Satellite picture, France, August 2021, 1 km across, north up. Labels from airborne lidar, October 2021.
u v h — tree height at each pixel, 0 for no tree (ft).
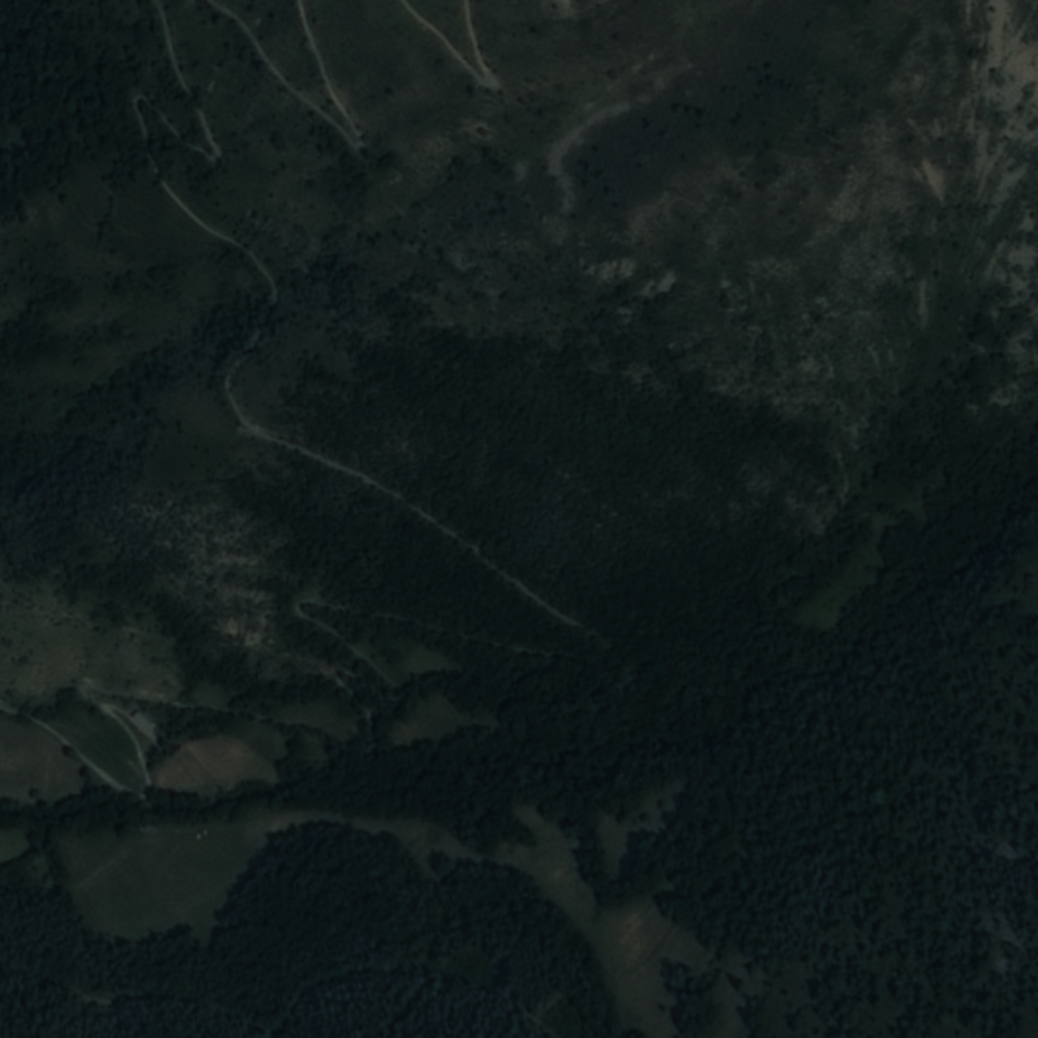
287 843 58
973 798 20
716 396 24
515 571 39
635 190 0
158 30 33
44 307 72
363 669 53
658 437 40
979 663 24
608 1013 75
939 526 49
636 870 74
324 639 29
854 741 58
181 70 23
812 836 29
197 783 0
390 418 21
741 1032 0
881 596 64
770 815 44
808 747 67
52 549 24
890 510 29
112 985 32
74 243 0
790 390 24
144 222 0
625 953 0
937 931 32
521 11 0
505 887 69
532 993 85
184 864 0
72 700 52
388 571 55
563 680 58
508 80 0
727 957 53
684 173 0
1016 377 22
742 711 67
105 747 0
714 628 62
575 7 0
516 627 52
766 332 28
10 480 41
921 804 30
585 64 0
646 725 78
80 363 26
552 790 67
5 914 68
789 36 0
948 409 24
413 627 50
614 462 39
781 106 0
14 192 43
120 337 38
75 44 30
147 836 0
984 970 54
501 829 78
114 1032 34
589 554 33
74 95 47
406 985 57
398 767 91
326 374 31
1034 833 34
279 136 22
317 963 56
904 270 19
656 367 29
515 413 29
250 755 0
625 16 0
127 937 0
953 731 23
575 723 61
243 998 32
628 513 21
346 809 67
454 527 35
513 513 38
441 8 0
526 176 0
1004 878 27
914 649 38
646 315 18
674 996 46
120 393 39
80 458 46
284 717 0
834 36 0
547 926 94
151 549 29
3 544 26
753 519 28
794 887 27
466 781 107
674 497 21
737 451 34
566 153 0
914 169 0
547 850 0
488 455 23
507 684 71
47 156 49
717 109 0
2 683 0
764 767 53
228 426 0
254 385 0
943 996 30
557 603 37
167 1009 44
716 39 0
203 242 0
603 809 68
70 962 53
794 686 50
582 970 72
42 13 51
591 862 61
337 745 50
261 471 25
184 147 22
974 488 21
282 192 0
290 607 32
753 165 0
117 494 28
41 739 0
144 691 0
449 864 55
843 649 65
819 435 24
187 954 52
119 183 27
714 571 42
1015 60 0
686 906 69
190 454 0
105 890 0
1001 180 0
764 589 37
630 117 0
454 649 60
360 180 31
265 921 55
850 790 23
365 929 48
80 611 0
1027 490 66
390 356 29
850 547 51
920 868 22
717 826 68
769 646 57
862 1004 33
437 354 31
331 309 25
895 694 41
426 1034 60
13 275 25
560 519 22
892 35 0
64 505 39
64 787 0
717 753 113
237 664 29
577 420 42
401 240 23
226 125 0
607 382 34
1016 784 21
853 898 41
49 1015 64
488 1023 75
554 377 31
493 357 42
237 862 0
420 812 67
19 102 57
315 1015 55
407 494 31
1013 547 32
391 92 27
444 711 0
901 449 27
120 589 47
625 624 48
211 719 29
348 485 35
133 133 35
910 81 0
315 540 39
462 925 34
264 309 26
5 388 22
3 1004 73
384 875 76
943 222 23
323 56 0
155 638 0
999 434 20
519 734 86
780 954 23
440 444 32
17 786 0
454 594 54
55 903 57
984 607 23
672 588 50
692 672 67
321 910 75
